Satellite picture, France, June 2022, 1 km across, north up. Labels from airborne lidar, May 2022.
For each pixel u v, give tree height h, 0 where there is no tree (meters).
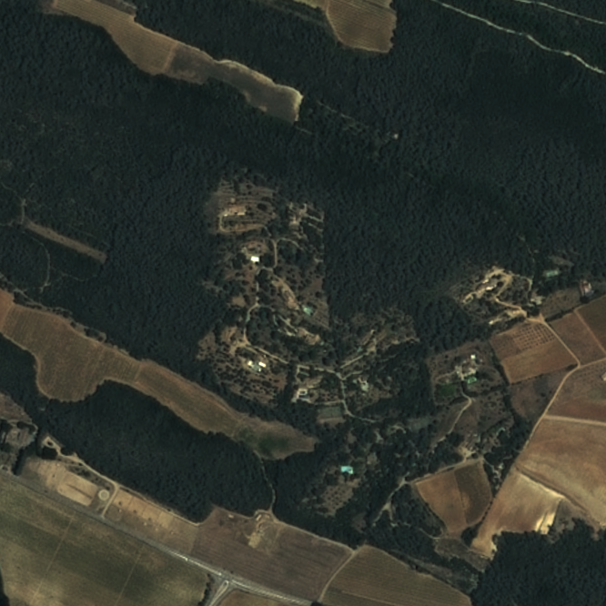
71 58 13
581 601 20
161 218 20
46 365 0
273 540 0
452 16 13
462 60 13
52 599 0
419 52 17
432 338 6
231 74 0
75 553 0
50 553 0
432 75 14
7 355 10
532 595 19
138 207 14
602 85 15
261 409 17
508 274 6
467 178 12
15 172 7
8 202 6
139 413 11
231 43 7
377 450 11
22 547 0
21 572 0
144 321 7
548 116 7
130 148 11
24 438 0
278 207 19
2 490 0
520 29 10
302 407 6
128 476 13
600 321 0
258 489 10
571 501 0
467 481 0
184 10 15
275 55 8
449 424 0
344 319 7
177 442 9
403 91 20
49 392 0
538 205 20
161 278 20
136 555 0
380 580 0
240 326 16
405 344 8
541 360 0
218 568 0
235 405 7
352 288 16
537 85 6
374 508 13
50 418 14
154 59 0
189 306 17
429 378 8
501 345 0
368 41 0
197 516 20
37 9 18
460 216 19
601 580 16
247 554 0
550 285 8
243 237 6
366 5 0
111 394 9
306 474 10
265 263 9
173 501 10
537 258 8
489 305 7
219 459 8
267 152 9
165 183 19
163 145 9
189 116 7
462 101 7
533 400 0
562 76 6
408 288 19
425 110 14
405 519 17
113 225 7
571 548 8
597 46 13
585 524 19
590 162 13
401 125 11
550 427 0
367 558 0
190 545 0
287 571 0
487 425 0
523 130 6
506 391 11
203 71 0
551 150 17
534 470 0
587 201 18
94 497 0
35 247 8
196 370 11
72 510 0
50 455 16
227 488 18
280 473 9
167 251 20
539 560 9
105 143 6
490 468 8
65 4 0
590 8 15
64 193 10
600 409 0
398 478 19
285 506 7
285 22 18
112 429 8
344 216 16
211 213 0
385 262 10
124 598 0
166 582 0
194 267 16
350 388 9
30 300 15
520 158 13
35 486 0
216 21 8
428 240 14
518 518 0
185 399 0
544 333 0
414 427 0
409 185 15
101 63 15
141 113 13
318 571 0
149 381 0
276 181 19
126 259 20
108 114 7
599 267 19
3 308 0
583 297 9
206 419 0
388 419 6
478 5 16
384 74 18
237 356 8
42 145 8
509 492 0
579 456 0
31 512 0
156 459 14
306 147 19
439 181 8
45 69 19
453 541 0
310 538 0
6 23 16
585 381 0
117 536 0
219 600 0
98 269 7
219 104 13
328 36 15
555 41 8
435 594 0
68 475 0
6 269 8
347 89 7
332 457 19
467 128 9
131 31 0
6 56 9
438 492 0
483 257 19
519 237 9
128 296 9
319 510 7
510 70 6
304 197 18
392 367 9
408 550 17
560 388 0
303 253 22
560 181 16
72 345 0
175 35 9
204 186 21
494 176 8
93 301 9
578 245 18
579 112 7
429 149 12
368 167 11
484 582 18
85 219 8
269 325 6
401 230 15
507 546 13
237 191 8
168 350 10
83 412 11
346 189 13
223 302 18
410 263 21
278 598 0
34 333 0
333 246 9
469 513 0
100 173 9
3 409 0
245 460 16
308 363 21
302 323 6
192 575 0
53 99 8
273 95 0
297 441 0
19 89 14
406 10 17
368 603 0
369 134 17
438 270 18
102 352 0
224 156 17
